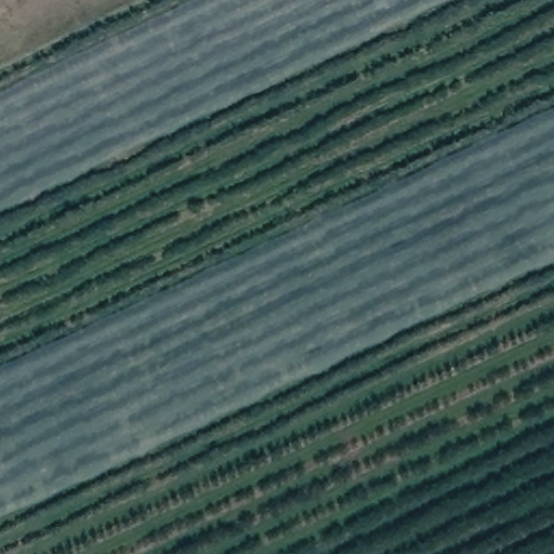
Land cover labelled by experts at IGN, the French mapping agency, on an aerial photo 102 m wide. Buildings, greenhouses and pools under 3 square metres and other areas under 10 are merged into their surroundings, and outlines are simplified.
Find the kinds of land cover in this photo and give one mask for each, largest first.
<instances>
[{"label":"deciduous trees","instance_id":"1","mask_svg":"<svg viewBox=\"0 0 554 554\"><path fill-rule=\"evenodd\" d=\"M554 249V0H147L143 4L130 6L123 13L93 22L84 30L71 32L69 37L50 45L48 50H41L30 58H24L0 71V554H554V262L537 271H528L526 275L511 279L509 283L487 294H478L433 318L400 329L387 340L340 359L338 364L329 366L318 374L309 370L307 364L329 351L342 348L348 342L370 335L377 327L385 322L411 316L416 309L424 305L446 301L474 283H480L498 273L509 271L522 260Z\"/></svg>","mask_w":554,"mask_h":554},{"label":"herbaceous vegetation","instance_id":"2","mask_svg":"<svg viewBox=\"0 0 554 554\"><path fill-rule=\"evenodd\" d=\"M147 0H0V71L24 58H30L41 50H48L50 45L69 37L71 32L84 30L93 22L123 13L130 6L143 4ZM554 262V249L522 260L509 271L498 273L480 283H474L446 301L424 305L416 309L411 316L385 322L377 327L370 335L348 342L342 348L329 351L307 364L309 370L318 374L329 366L338 364L340 359L387 340L400 329L433 318L478 294H487L509 283L511 279L526 275L528 271H537Z\"/></svg>","mask_w":554,"mask_h":554}]
</instances>
